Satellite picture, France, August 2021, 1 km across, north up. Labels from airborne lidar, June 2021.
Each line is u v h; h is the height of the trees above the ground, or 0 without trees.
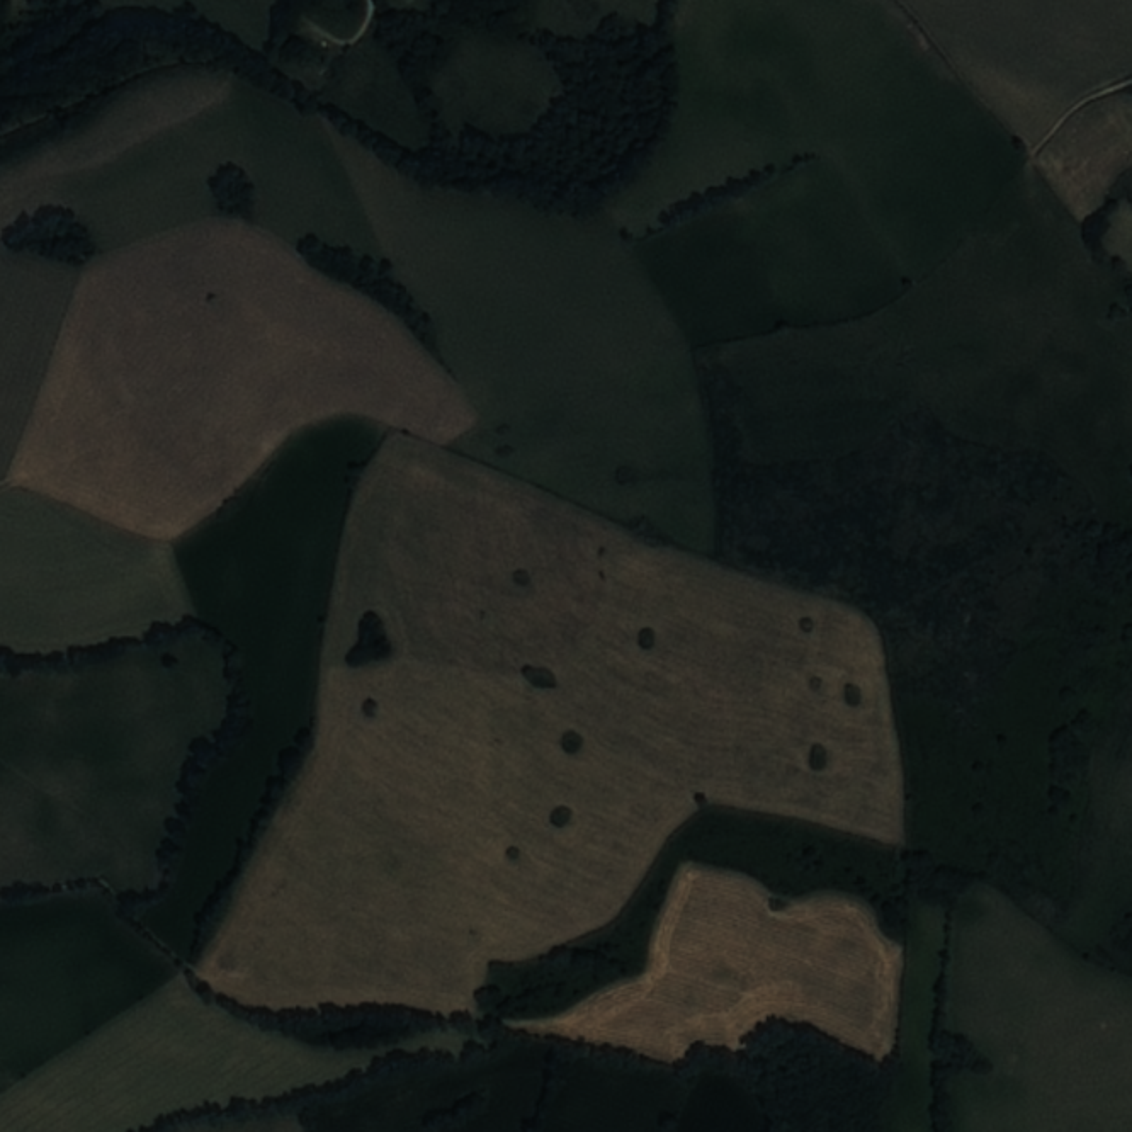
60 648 0
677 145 0
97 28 21
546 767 0
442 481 0
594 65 8
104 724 0
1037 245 0
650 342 0
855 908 0
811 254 0
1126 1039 0
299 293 0
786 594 0
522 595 0
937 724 0
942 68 0
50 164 0
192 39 22
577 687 0
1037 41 0
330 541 0
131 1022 0
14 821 0
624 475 0
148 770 0
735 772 0
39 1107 0
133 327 0
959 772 0
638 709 0
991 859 7
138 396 0
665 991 0
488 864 0
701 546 0
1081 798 0
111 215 0
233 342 0
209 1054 0
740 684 0
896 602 0
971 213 0
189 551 0
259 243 0
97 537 0
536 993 6
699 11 0
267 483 0
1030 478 0
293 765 20
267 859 0
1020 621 0
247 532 0
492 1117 0
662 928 0
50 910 0
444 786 0
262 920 0
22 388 0
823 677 0
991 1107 0
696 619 0
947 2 0
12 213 0
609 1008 0
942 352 0
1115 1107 0
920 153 0
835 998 0
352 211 0
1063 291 0
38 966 0
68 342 0
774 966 0
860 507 0
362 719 0
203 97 0
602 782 0
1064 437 0
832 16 0
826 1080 23
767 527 0
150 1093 0
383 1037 22
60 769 0
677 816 0
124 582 0
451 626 0
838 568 0
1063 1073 0
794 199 0
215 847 0
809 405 0
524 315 0
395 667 0
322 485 0
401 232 0
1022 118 0
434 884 0
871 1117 22
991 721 0
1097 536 8
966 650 0
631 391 0
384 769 0
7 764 0
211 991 15
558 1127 0
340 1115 0
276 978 0
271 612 0
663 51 12
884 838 0
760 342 0
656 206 0
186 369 0
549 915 0
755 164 0
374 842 0
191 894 0
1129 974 0
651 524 0
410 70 12
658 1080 0
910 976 0
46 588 0
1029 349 0
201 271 0
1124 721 0
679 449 0
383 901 0
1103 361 0
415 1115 0
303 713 0
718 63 0
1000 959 0
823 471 0
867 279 0
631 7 0
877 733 0
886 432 0
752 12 0
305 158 0
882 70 0
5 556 0
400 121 0
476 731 0
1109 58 0
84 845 0
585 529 0
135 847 0
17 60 22
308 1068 0
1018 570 0
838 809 0
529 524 0
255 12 0
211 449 0
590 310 0
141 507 0
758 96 0
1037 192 0
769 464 0
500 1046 16
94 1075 0
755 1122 0
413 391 0
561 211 16
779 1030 17
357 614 0
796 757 0
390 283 8
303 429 0
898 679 0
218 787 0
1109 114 0
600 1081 0
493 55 0
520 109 0
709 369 0
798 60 0
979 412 0
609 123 13
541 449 0
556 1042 16
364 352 0
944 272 0
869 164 0
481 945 0
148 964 0
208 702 0
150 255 0
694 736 0
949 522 0
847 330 0
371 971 0
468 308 0
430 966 0
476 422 0
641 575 0
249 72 20
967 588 0
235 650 14
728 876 0
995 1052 0
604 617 0
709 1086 0
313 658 0
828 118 0
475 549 0
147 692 0
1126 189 0
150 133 0
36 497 0
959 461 0
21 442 0
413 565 0
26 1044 0
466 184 18
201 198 0
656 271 0
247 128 0
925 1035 0
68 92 27
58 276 0
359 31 0
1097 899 0
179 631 11
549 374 0
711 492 0
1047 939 0
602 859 0
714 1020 0
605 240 0
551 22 0
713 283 0
